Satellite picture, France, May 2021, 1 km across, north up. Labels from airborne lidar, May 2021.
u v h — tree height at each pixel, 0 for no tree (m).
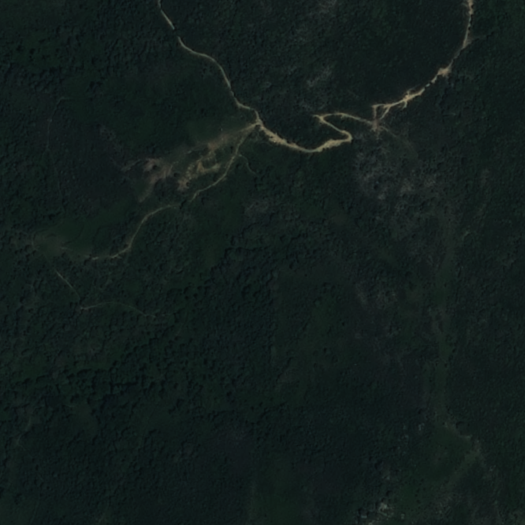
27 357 9
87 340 15
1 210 6
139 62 6
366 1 11
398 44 7
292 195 7
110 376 19
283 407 11
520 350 7
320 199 7
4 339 7
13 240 10
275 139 0
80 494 7
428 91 6
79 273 11
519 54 10
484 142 7
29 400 9
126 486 13
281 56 8
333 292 6
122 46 8
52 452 10
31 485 5
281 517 0
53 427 7
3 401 19
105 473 7
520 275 10
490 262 7
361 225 11
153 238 9
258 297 18
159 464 11
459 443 0
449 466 0
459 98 12
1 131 16
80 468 8
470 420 8
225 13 8
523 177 10
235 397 12
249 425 11
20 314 14
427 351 5
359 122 7
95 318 9
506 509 8
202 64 6
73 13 9
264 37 11
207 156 0
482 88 10
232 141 0
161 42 7
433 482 0
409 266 6
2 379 8
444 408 0
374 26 8
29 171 13
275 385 8
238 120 0
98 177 6
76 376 20
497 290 10
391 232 11
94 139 6
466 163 13
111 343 12
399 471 12
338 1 8
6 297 9
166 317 6
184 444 12
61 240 0
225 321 6
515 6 16
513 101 8
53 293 7
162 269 14
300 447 8
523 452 10
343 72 6
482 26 10
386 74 6
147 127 0
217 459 7
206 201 17
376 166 6
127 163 7
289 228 16
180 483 5
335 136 6
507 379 9
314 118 7
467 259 6
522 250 11
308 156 10
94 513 6
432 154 6
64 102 6
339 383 6
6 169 12
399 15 10
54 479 6
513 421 9
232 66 11
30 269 8
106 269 6
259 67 8
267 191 9
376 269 6
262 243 15
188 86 5
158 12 7
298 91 6
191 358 12
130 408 14
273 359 8
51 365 5
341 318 6
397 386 6
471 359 7
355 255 7
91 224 0
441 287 0
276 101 8
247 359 6
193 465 6
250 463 6
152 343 19
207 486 6
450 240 0
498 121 6
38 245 0
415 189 0
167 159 0
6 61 15
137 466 13
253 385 10
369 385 8
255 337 6
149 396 17
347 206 6
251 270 12
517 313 10
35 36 0
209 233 5
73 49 12
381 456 6
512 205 10
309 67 11
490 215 8
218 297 7
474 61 5
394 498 8
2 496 15
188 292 21
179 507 6
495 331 7
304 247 7
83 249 0
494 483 7
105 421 14
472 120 8
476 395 7
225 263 16
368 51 7
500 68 7
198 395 14
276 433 7
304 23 7
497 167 6
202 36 6
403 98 0
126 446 10
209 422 5
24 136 8
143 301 9
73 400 12
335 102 6
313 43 8
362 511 12
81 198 10
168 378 12
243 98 8
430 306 7
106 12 8
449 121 12
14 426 8
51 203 9
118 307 6
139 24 7
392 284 7
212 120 0
